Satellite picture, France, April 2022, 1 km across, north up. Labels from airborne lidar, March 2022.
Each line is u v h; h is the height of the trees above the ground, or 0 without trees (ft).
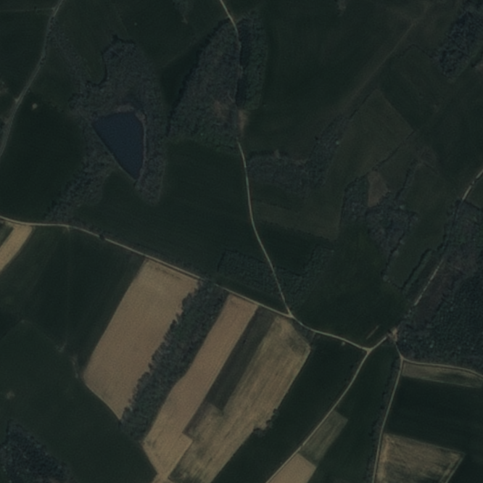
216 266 0
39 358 0
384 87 0
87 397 0
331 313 0
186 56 0
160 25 0
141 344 0
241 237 0
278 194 0
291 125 0
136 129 0
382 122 0
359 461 0
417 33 0
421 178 0
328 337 0
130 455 0
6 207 0
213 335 0
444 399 0
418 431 0
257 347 0
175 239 0
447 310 37
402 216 61
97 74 0
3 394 0
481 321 43
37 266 0
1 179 0
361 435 0
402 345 36
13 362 0
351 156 0
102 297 0
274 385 0
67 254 0
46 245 0
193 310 64
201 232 0
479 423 0
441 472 0
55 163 0
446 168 0
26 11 0
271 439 0
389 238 44
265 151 0
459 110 0
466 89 0
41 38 0
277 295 33
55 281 0
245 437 0
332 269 0
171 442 0
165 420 0
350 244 0
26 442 81
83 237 0
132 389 0
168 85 0
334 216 0
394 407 0
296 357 0
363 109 0
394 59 0
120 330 0
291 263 0
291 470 0
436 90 0
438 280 0
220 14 0
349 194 44
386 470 0
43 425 0
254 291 0
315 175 20
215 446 0
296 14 0
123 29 0
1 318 0
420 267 30
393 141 0
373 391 0
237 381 0
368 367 0
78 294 0
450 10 0
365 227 0
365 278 0
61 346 0
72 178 0
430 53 0
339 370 0
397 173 0
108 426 0
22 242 0
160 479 0
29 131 0
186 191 0
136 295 0
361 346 0
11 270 0
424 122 0
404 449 0
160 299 0
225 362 0
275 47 0
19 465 63
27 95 0
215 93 87
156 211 0
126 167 0
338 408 0
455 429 0
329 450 0
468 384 0
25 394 0
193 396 0
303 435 0
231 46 72
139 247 30
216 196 0
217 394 0
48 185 0
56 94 0
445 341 42
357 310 0
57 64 0
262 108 0
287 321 0
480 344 31
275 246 0
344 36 0
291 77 0
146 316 0
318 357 0
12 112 0
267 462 0
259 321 0
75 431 0
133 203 0
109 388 0
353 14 0
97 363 0
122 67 69
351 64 0
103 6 0
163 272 0
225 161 0
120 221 0
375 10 0
